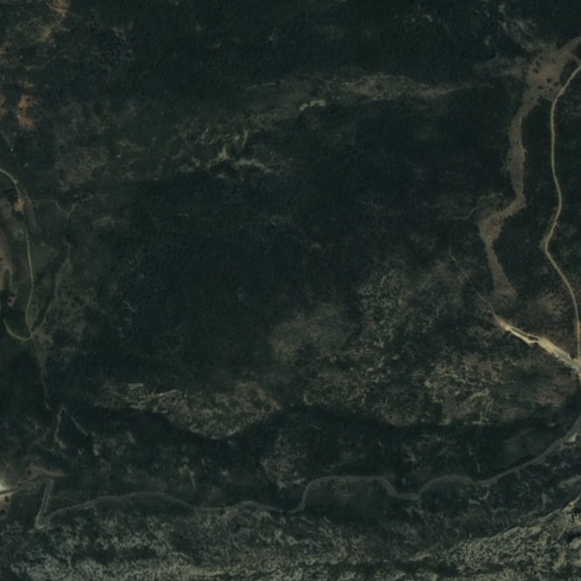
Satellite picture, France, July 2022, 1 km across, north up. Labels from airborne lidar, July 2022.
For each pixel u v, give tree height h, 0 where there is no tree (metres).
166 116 6
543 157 6
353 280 6
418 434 6
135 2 6
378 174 7
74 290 0
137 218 7
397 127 6
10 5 6
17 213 7
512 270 7
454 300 0
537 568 0
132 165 6
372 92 0
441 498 6
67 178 0
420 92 0
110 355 8
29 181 0
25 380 6
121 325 6
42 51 0
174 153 6
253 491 6
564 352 0
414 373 0
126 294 7
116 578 0
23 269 0
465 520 0
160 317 6
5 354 7
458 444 8
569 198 6
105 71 8
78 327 0
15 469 0
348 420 7
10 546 0
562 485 0
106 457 6
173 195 6
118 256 6
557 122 6
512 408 0
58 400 7
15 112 0
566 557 6
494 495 6
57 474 0
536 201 6
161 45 6
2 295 9
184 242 6
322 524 0
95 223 0
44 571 0
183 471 0
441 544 0
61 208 0
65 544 0
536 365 0
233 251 6
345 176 6
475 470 6
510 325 0
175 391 9
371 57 6
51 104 6
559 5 5
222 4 6
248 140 6
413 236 0
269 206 6
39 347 0
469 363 0
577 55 6
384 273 0
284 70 6
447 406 0
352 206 6
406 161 6
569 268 7
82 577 0
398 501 6
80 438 8
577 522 0
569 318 6
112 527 0
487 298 0
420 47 7
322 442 6
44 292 0
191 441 9
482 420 6
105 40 9
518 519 0
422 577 7
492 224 0
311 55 7
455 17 6
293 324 0
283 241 7
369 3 7
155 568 0
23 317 0
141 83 7
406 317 6
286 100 0
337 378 0
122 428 7
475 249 6
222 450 7
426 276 0
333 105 8
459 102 6
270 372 0
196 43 7
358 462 6
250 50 6
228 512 0
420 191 5
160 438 6
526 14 7
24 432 6
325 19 7
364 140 8
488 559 0
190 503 7
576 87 7
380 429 9
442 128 7
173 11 8
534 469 6
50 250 0
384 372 10
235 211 5
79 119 0
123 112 0
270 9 6
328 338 0
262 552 0
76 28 6
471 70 6
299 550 0
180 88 6
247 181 7
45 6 0
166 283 7
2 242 0
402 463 7
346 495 0
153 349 7
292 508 7
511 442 0
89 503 0
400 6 6
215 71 6
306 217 6
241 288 7
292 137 7
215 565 0
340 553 0
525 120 6
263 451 6
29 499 0
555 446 0
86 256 0
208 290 6
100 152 0
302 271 6
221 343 0
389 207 5
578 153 5
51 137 0
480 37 6
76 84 6
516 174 0
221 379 0
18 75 0
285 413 5
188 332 6
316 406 7
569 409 7
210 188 7
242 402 0
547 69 0
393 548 0
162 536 0
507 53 6
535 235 6
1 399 8
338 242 6
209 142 6
